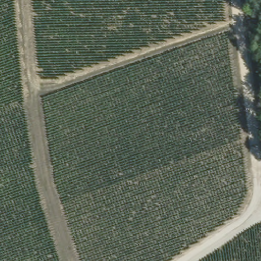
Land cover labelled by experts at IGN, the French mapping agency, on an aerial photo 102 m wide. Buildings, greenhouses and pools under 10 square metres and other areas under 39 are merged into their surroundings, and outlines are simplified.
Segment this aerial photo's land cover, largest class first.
<instances>
[{"label":"vineyard","instance_id":"1","mask_svg":"<svg viewBox=\"0 0 261 261\"><path fill-rule=\"evenodd\" d=\"M32 156L23 109L14 0H0V261H59L40 203L34 171L30 166ZM225 2L224 0H32L36 12L33 23L38 67L43 69L38 71L41 79H58L66 73H73L84 67L164 42L166 39L199 31L217 21H224ZM201 40L42 94L54 184L80 261H171L182 251L198 244L217 227L224 225L225 221L231 220L241 208L248 192L242 150L246 145L245 143L237 144L243 128L236 117L240 110L233 106V100L237 97L234 96L228 50L231 42L225 33H207L202 35ZM199 261H261V222L240 232Z\"/></svg>","mask_w":261,"mask_h":261},{"label":"herbaceous vegetation","instance_id":"2","mask_svg":"<svg viewBox=\"0 0 261 261\"><path fill-rule=\"evenodd\" d=\"M224 21H217L199 31L166 39L164 42L84 67L73 73H66L58 79H41L38 71L43 69L38 67L33 23L36 12L32 0H14L23 109L32 156L30 166L34 171L40 203L59 261H80L54 184L42 94L201 40L202 35L207 33H225L231 42L228 50L234 96L237 97L233 100V106L240 110L236 117L243 128L237 144L245 143L246 138H253L251 133H246L248 124L243 85H246V80H241L237 39L229 31V24L236 23L234 19H229L233 7L225 2ZM242 150L248 192L241 208L249 207L254 189L251 162L253 154L246 145Z\"/></svg>","mask_w":261,"mask_h":261},{"label":"pervious surface","instance_id":"3","mask_svg":"<svg viewBox=\"0 0 261 261\"><path fill-rule=\"evenodd\" d=\"M225 2L233 7L229 19H234L236 23L229 24V31L237 39L241 80H246V85H243L248 124L246 133H251L253 138H246L245 143L246 145L253 154L251 162L254 189L249 207L241 208L231 220L225 221L224 225L217 227L198 244L182 251L171 261H199L240 232L261 222V114H256L252 109L254 93L251 83L246 79L249 70L242 57L246 49V28L241 9L247 0H224Z\"/></svg>","mask_w":261,"mask_h":261},{"label":"coniferous trees","instance_id":"4","mask_svg":"<svg viewBox=\"0 0 261 261\"><path fill-rule=\"evenodd\" d=\"M246 28V49L242 57L249 70L246 79L251 83L254 93L252 109L256 114H261V0H247L241 9Z\"/></svg>","mask_w":261,"mask_h":261}]
</instances>
